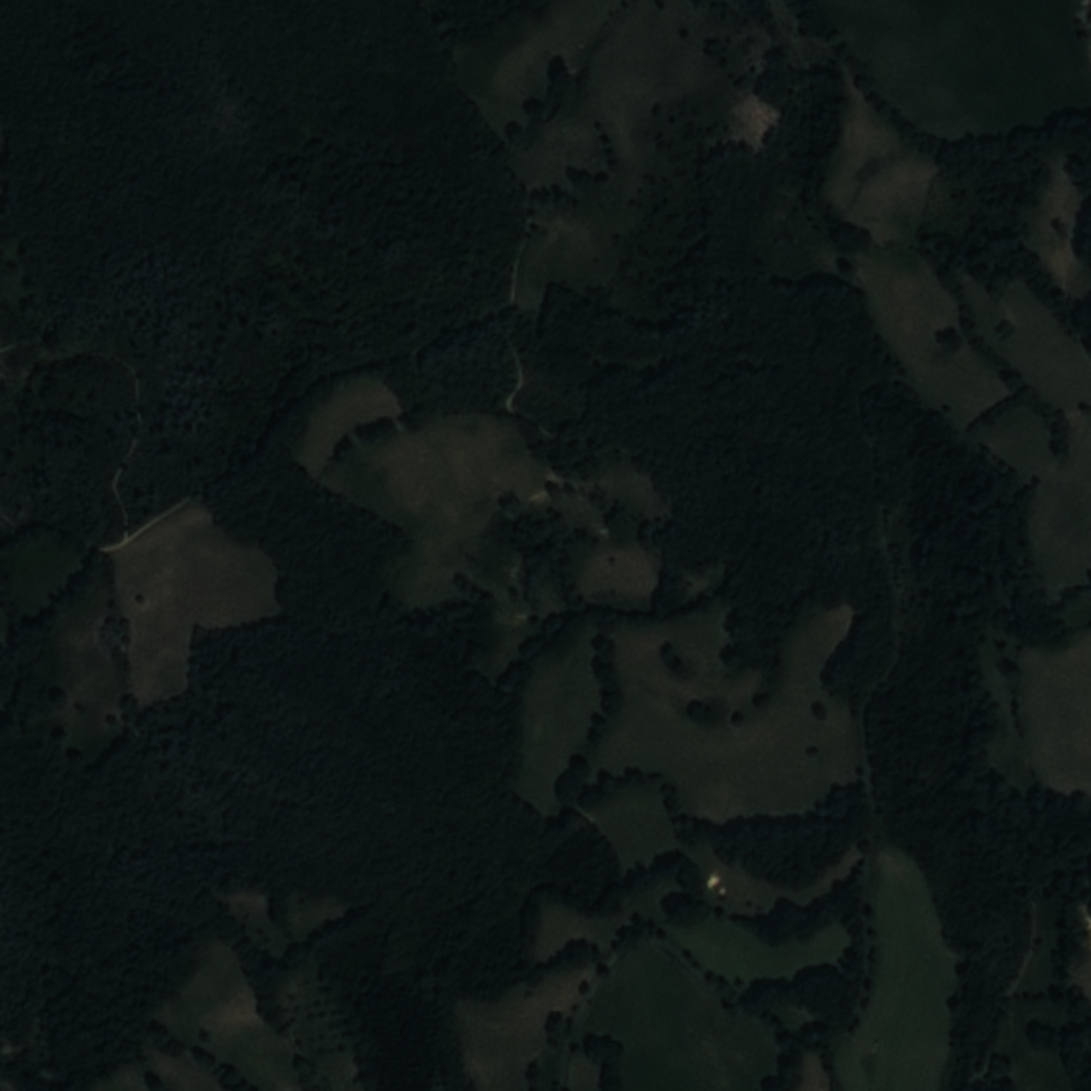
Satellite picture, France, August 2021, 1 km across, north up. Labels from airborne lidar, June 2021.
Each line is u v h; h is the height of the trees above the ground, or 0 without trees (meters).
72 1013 19
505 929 10
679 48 0
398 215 8
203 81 11
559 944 0
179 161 15
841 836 22
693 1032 0
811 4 14
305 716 6
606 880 15
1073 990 20
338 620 23
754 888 0
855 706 19
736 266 25
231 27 18
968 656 16
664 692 0
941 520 7
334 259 10
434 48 19
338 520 22
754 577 14
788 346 23
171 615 0
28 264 16
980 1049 8
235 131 8
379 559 26
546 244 0
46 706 17
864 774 12
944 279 17
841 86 14
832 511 24
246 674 12
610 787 19
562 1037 17
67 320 24
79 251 18
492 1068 0
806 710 0
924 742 11
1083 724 0
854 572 18
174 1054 15
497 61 0
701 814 0
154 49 16
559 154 0
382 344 10
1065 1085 0
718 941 0
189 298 18
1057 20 0
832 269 0
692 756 0
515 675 15
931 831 7
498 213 15
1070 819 19
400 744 18
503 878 20
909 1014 0
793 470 14
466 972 13
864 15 0
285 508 19
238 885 23
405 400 16
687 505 13
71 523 16
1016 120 0
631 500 0
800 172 16
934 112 0
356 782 16
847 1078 0
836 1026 23
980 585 21
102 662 0
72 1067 26
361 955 6
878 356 25
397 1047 15
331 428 0
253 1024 0
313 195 11
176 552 0
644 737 0
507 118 0
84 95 17
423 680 17
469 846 22
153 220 18
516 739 24
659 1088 0
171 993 23
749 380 30
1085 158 22
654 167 0
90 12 11
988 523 23
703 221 9
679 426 19
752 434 20
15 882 19
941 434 11
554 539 7
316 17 18
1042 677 0
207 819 10
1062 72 0
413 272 13
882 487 23
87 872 21
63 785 17
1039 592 11
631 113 0
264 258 6
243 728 13
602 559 0
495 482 0
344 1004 14
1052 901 20
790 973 0
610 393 25
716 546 21
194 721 11
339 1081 0
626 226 0
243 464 17
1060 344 0
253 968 20
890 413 24
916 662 8
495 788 22
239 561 0
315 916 0
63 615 14
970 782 30
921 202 0
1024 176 11
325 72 19
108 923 21
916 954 0
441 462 0
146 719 12
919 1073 0
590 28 0
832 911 19
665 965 0
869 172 0
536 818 18
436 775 24
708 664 0
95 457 8
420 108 19
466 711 23
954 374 0
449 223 13
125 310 12
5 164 17
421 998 10
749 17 16
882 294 0
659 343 20
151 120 14
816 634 0
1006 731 0
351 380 17
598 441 13
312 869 21
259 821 13
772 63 18
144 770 12
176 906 23
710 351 23
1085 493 0
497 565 0
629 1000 0
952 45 0
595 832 15
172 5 15
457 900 16
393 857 19
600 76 0
